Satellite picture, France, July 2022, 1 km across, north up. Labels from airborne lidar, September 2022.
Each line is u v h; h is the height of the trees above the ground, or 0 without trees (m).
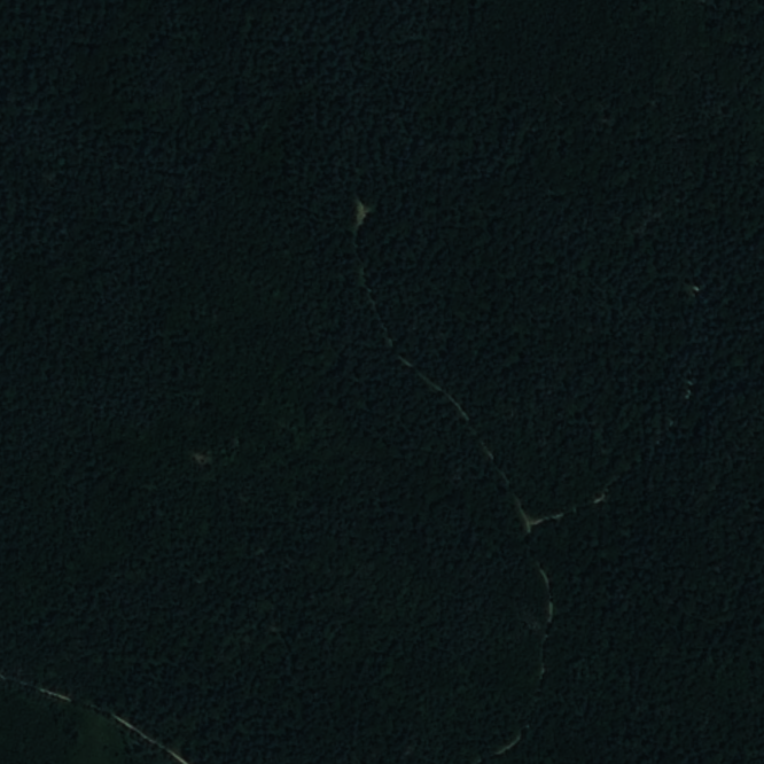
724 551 20
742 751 19
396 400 26
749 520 14
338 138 26
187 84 26
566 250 24
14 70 19
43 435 17
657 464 23
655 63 17
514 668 15
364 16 25
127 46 24
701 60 30
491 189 24
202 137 19
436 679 14
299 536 7
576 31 15
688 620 16
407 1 27
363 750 13
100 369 13
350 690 15
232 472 8
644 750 8
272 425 11
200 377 20
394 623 9
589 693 18
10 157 19
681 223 16
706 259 7
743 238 14
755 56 36
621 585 14
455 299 24
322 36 31
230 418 10
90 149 24
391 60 9
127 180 20
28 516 19
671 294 24
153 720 22
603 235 27
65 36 26
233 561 8
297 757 22
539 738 17
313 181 9
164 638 17
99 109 16
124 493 11
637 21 11
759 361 28
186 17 19
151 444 6
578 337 26
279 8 26
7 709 6
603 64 16
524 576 12
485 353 26
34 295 11
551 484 10
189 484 20
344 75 32
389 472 18
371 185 20
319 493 13
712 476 20
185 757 9
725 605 24
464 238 23
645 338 28
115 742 0
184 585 22
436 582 18
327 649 17
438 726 11
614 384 21
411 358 19
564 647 11
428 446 22
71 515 16
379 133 35
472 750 9
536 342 25
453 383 23
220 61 24
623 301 10
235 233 17
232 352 14
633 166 24
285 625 15
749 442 12
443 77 18
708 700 11
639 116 22
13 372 16
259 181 10
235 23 17
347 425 19
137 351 11
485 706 9
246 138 11
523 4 18
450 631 18
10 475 12
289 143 15
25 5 19
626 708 17
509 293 18
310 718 18
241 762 20
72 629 21
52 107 18
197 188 15
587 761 8
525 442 10
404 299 24
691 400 6
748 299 21
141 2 21
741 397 36
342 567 16
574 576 27
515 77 14
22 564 13
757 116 26
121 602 8
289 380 18
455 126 29
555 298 21
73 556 16
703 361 29
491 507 10
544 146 20
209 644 13
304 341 21
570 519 12
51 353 12
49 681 12
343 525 29
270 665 13
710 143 20
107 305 24
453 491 8
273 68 30
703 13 36
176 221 18
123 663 17
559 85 14
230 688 13
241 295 9
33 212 26
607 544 16
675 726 10
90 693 9
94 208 8
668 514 28
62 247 26
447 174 29
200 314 13
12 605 11
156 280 17
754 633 6
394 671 16
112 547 8
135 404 16
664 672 17
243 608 23
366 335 22
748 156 24
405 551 14
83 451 14
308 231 20
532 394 22
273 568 14
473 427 14
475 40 18
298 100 15
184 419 11
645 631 14
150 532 16
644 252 18
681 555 23
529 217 27
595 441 22
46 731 6
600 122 20
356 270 27
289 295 8
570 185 25
